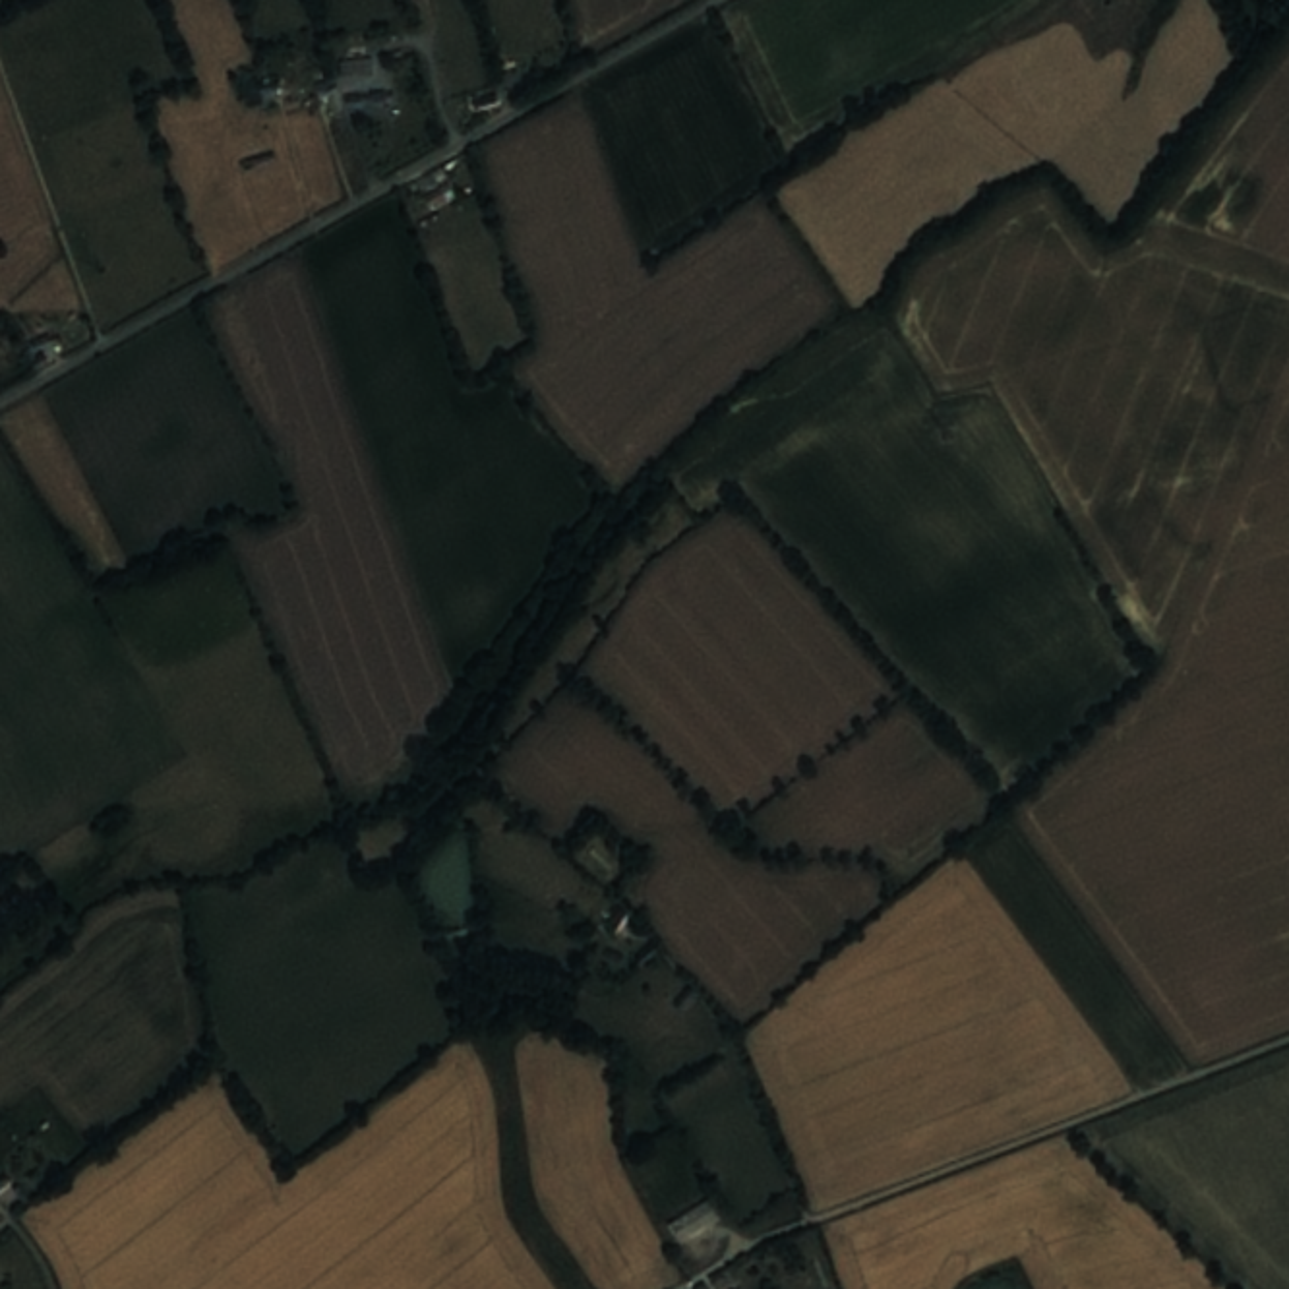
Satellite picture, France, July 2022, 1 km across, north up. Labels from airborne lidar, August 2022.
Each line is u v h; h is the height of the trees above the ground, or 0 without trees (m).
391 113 0
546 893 0
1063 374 0
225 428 0
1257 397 0
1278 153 0
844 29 0
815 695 0
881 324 0
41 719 0
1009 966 0
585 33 0
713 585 0
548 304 0
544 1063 0
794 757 0
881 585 0
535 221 0
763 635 0
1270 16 17
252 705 0
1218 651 0
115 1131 12
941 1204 0
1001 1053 0
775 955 0
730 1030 14
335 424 0
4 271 0
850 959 0
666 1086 11
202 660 0
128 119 0
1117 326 0
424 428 0
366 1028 0
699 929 0
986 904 0
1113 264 0
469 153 9
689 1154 7
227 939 0
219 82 0
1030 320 0
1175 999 0
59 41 0
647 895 0
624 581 0
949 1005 0
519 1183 0
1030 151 0
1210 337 0
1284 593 0
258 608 6
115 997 0
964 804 0
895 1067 0
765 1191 0
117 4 0
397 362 0
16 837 0
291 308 0
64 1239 0
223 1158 0
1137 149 0
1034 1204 0
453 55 0
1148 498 0
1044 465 0
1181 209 0
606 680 0
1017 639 0
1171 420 0
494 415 0
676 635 0
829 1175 0
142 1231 0
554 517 0
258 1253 0
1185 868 0
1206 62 0
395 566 0
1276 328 0
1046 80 0
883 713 17
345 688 0
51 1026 0
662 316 0
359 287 0
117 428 0
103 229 0
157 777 0
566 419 0
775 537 13
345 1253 0
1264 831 0
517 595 0
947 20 0
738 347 0
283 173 0
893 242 0
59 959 9
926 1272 0
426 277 16
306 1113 0
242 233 0
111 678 0
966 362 0
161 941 0
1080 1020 0
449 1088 0
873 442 0
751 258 0
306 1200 0
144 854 0
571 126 0
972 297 0
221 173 0
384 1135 0
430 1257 0
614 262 0
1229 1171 0
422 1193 0
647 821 0
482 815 0
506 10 0
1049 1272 0
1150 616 0
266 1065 0
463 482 0
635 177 0
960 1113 0
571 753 0
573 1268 0
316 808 0
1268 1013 0
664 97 0
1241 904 0
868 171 0
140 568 15
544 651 23
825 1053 0
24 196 0
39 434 0
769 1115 18
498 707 13
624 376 0
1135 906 0
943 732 20
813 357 0
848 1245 0
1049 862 0
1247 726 0
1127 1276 0
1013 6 0
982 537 0
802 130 0
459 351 13
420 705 0
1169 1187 0
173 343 0
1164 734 0
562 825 0
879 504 0
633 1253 0
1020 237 0
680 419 0
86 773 0
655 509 20
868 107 16
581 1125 0
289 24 0
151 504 0
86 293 0
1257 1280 0
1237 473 0
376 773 0
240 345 0
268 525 13
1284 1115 0
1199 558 0
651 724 0
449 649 0
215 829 0
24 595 0
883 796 0
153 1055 0
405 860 17
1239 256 0
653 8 0
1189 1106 0
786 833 0
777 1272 12
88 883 0
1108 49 0
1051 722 0
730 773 0
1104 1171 18
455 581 0
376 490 0
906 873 0
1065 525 8
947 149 0
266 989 0
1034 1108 0
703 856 0
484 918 15
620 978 6
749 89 6
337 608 0
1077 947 0
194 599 0
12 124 0
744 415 0
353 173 0
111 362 0
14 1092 0
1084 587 0
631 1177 0
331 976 0
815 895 0
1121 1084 0
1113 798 0
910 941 0
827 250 0
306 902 0
